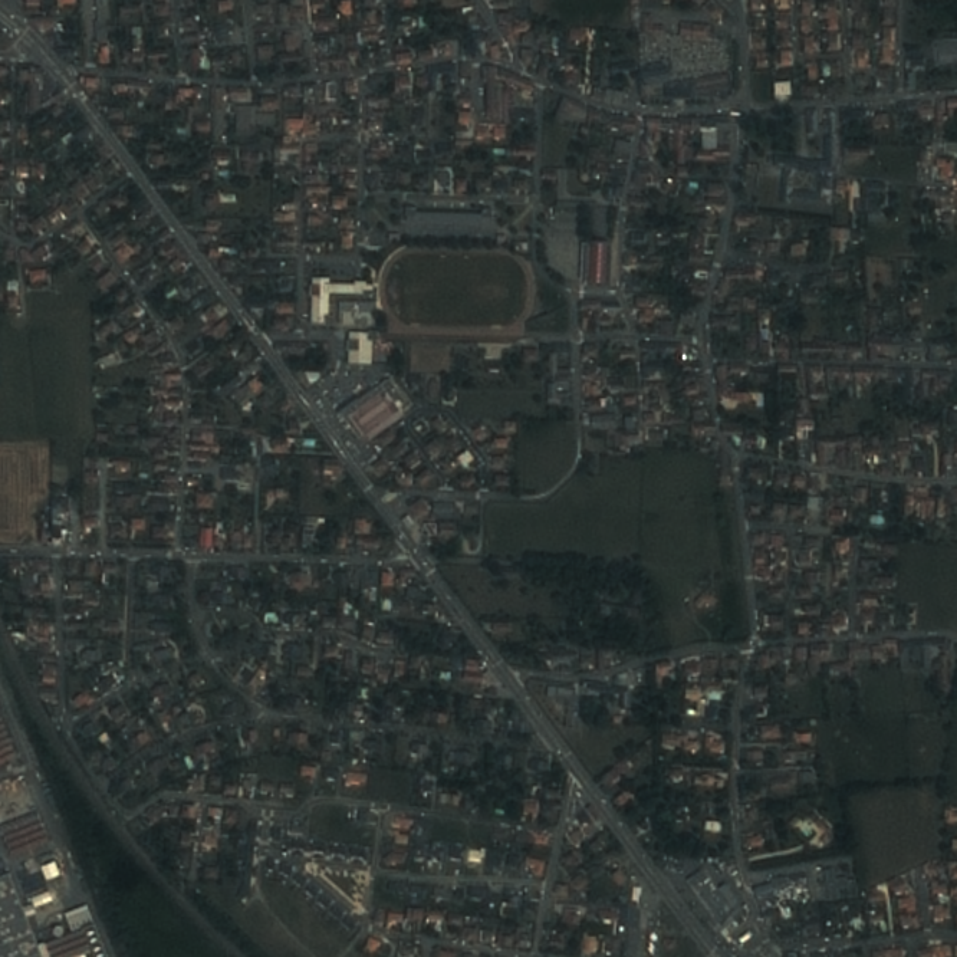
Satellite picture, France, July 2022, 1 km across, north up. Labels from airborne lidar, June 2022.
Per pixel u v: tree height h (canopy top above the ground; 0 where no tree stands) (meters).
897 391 12
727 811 13
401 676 8
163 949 0
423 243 10
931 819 0
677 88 0
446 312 0
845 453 0
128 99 9
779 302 10
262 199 0
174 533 0
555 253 0
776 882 0
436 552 14
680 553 0
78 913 0
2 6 0
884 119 0
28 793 0
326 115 0
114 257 0
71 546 0
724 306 9
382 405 0
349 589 6
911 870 0
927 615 0
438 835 0
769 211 8
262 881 0
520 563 9
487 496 0
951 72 7
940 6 13
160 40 6
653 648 6
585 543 0
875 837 0
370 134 0
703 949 0
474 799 7
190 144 7
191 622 0
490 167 8
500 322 0
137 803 0
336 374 0
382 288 0
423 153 0
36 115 9
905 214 0
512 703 8
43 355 0
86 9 0
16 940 0
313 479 0
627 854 0
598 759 0
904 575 0
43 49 0
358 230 0
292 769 0
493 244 8
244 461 6
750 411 0
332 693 5
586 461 7
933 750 0
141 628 0
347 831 0
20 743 0
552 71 5
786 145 10
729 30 0
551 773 8
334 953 0
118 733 8
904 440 0
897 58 0
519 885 0
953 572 0
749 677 7
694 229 7
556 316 0
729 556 0
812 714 0
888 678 0
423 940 0
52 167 7
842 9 0
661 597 0
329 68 6
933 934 0
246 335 11
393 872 0
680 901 0
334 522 8
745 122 25
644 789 10
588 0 0
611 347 7
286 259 0
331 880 0
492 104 0
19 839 0
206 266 0
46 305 0
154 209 0
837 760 0
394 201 10
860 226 7
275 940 0
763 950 0
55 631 0
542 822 7
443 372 8
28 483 0
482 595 0
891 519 12
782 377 7
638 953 0
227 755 8
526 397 0
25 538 0
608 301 0
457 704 9
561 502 0
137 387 8
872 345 0
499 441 0
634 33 10
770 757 11
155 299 11
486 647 0
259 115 0
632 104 0
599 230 0
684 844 18
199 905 7
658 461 0
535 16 6
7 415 0
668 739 0
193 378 13
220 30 0
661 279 8
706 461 0
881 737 0
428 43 8
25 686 0
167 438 0
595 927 0
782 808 10
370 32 0
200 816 0
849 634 0
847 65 0
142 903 0
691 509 0
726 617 0
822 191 0
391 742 15
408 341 0
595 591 9
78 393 0
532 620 7
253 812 0
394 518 0
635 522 0
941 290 0
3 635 0
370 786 0
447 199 0
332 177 9
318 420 0
